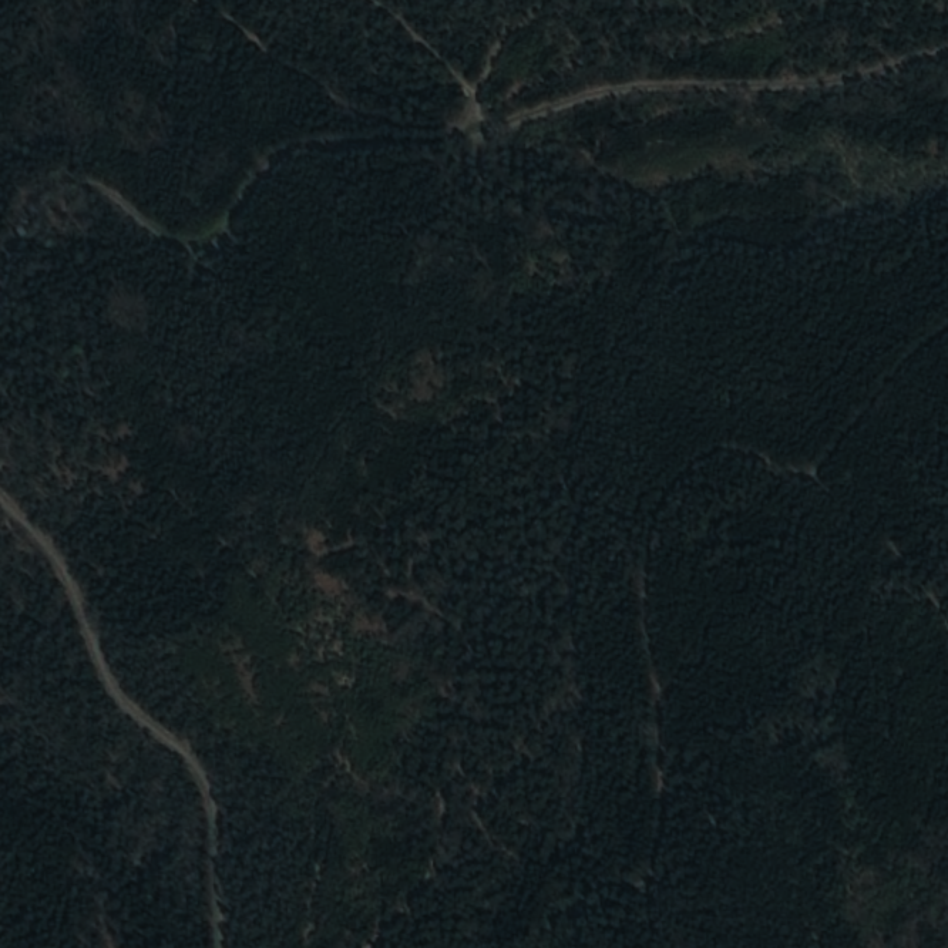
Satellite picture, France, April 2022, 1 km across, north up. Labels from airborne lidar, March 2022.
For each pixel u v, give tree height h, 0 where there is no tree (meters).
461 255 18
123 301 22
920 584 28
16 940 26
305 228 16
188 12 21
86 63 22
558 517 43
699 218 15
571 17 26
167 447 17
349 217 18
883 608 21
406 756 29
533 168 32
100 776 22
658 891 30
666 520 30
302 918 9
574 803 26
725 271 26
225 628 12
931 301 24
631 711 27
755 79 10
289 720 8
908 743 15
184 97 29
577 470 31
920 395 16
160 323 27
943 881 15
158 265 27
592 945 30
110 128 14
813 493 22
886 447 18
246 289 25
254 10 29
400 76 32
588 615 35
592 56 22
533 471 22
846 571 27
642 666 24
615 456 26
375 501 28
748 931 17
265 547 18
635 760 30
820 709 9
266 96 21
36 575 25
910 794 14
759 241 17
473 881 37
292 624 9
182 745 18
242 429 19
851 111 28
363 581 15
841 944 13
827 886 11
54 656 19
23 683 23
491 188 33
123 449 11
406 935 33
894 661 14
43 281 14
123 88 19
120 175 26
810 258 34
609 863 25
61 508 17
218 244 0
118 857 27
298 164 17
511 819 26
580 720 18
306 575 8
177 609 17
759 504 21
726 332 21
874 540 23
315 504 15
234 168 21
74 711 22
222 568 14
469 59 10
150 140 18
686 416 19
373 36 30
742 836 10
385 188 26
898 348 24
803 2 24
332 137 20
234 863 25
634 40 20
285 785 13
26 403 24
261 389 21
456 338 18
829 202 21
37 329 20
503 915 20
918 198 15
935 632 15
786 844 9
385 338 12
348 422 8
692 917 19
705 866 23
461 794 33
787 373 24
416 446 15
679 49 23
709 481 23
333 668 11
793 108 15
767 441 21
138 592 12
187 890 26
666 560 18
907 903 12
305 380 16
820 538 21
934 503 20
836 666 24
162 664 22
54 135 13
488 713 32
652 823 20
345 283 13
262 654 10
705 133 18
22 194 26
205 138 25
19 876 25
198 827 28
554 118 17
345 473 13
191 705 17
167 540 8
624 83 20
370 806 14
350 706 11
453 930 31
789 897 9
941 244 26
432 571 24
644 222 28
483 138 0
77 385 20
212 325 26
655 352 24
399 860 13
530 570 40
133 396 16
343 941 10
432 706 9
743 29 16
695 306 21
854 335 23
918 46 11
